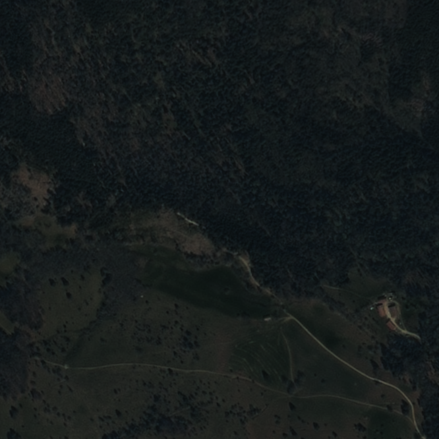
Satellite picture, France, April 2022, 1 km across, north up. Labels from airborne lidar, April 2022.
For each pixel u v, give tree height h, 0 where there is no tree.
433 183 24
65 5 26
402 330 0
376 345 9
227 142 32
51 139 22
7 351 29
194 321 0
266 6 24
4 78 30
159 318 0
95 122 32
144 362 0
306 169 21
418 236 26
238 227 19
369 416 0
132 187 30
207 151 35
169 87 32
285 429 0
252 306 0
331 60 22
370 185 25
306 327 0
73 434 0
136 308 0
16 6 28
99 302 0
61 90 28
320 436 0
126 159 34
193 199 30
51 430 0
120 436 15
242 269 16
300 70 23
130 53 22
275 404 0
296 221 23
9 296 25
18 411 14
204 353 0
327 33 16
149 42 14
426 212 25
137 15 11
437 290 34
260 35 23
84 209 15
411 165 11
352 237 28
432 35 23
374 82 24
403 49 25
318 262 20
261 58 25
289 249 25
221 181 32
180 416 0
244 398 0
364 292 0
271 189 32
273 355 0
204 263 19
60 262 24
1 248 25
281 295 19
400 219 26
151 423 19
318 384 0
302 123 20
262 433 0
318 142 23
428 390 25
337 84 15
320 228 20
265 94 7
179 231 0
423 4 25
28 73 25
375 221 27
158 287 0
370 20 26
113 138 34
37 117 21
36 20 33
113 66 27
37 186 0
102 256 23
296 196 34
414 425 0
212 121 32
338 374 0
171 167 31
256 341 0
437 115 31
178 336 0
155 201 19
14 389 24
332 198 28
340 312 13
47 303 0
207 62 31
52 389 0
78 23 31
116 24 32
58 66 9
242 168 33
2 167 26
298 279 27
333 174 32
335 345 0
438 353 7
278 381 0
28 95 30
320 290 16
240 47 28
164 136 33
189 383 0
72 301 0
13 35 29
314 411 0
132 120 35
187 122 33
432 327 22
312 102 18
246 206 33
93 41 33
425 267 13
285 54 17
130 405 0
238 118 31
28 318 23
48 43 27
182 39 33
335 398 0
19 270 22
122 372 0
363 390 0
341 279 20
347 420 0
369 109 17
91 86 29
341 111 21
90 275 13
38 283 30
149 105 30
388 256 10
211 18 28
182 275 0
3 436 0
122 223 10
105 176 24
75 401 0
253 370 0
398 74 31
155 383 0
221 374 0
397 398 0
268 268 23
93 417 0
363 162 18
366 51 25
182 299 0
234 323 0
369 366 0
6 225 26
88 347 0
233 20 23
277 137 21
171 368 0
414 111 24
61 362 0
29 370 9
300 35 18
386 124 22
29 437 0
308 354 0
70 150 21
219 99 25
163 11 15
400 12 29
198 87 37
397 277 18
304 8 20
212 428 0
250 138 29
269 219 21
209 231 24
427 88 27
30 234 29
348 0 23
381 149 31
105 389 0
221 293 0
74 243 23
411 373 27
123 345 0
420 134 9
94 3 27
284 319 0
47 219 0
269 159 23
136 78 33
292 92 22
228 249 14
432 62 21
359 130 22
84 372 0
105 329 0
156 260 0
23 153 8
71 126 19
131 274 13
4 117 23
